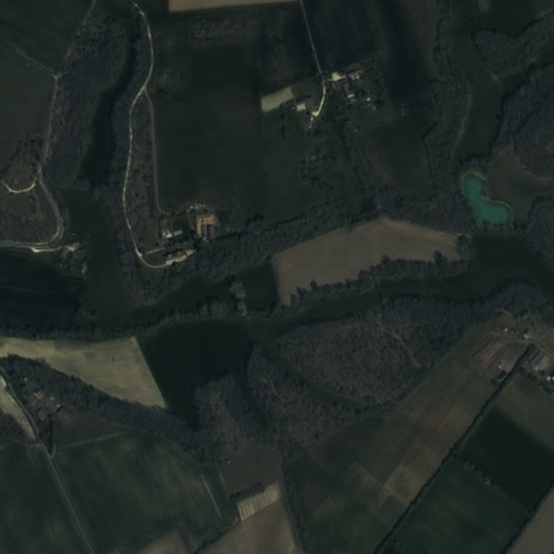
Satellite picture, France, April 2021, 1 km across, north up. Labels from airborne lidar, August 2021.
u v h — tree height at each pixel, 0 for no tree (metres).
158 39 0
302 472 0
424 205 7
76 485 0
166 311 0
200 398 19
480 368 0
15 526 0
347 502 0
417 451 0
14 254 0
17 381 6
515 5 0
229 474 0
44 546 0
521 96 19
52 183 20
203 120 0
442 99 13
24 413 0
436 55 15
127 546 0
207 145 0
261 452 0
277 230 10
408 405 0
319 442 8
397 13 0
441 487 0
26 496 0
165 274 8
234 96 0
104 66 19
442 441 0
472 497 0
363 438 0
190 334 0
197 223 0
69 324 0
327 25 0
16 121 0
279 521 0
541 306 11
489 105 0
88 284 0
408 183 0
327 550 0
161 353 0
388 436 0
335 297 16
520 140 15
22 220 7
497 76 21
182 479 0
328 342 9
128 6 12
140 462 0
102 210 0
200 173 0
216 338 0
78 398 15
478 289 0
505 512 0
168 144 0
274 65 0
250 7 0
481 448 0
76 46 8
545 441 0
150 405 0
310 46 0
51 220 15
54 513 0
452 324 18
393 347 7
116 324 0
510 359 0
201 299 0
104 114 0
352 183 0
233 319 15
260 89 0
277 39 0
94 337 16
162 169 0
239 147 0
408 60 0
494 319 15
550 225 14
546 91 16
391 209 21
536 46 24
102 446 0
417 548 0
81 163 17
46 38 0
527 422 0
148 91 0
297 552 0
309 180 13
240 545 0
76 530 0
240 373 0
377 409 13
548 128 14
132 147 13
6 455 0
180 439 20
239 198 0
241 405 18
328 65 0
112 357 0
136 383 0
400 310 19
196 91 0
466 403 0
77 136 13
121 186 13
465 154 0
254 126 0
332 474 0
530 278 0
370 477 0
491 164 16
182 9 0
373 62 6
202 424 17
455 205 18
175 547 0
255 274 0
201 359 0
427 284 0
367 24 0
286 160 0
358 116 0
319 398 8
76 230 8
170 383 0
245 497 10
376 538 0
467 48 0
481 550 0
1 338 0
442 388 0
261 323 0
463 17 0
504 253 0
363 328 10
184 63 0
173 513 0
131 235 15
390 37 0
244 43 0
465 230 19
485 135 0
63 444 0
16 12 0
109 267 0
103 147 0
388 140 0
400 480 0
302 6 0
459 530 0
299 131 0
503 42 17
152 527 0
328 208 13
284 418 9
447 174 24
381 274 19
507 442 0
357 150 13
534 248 19
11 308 0
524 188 0
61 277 0
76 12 0
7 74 0
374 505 0
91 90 27
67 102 13
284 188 0
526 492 0
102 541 0
